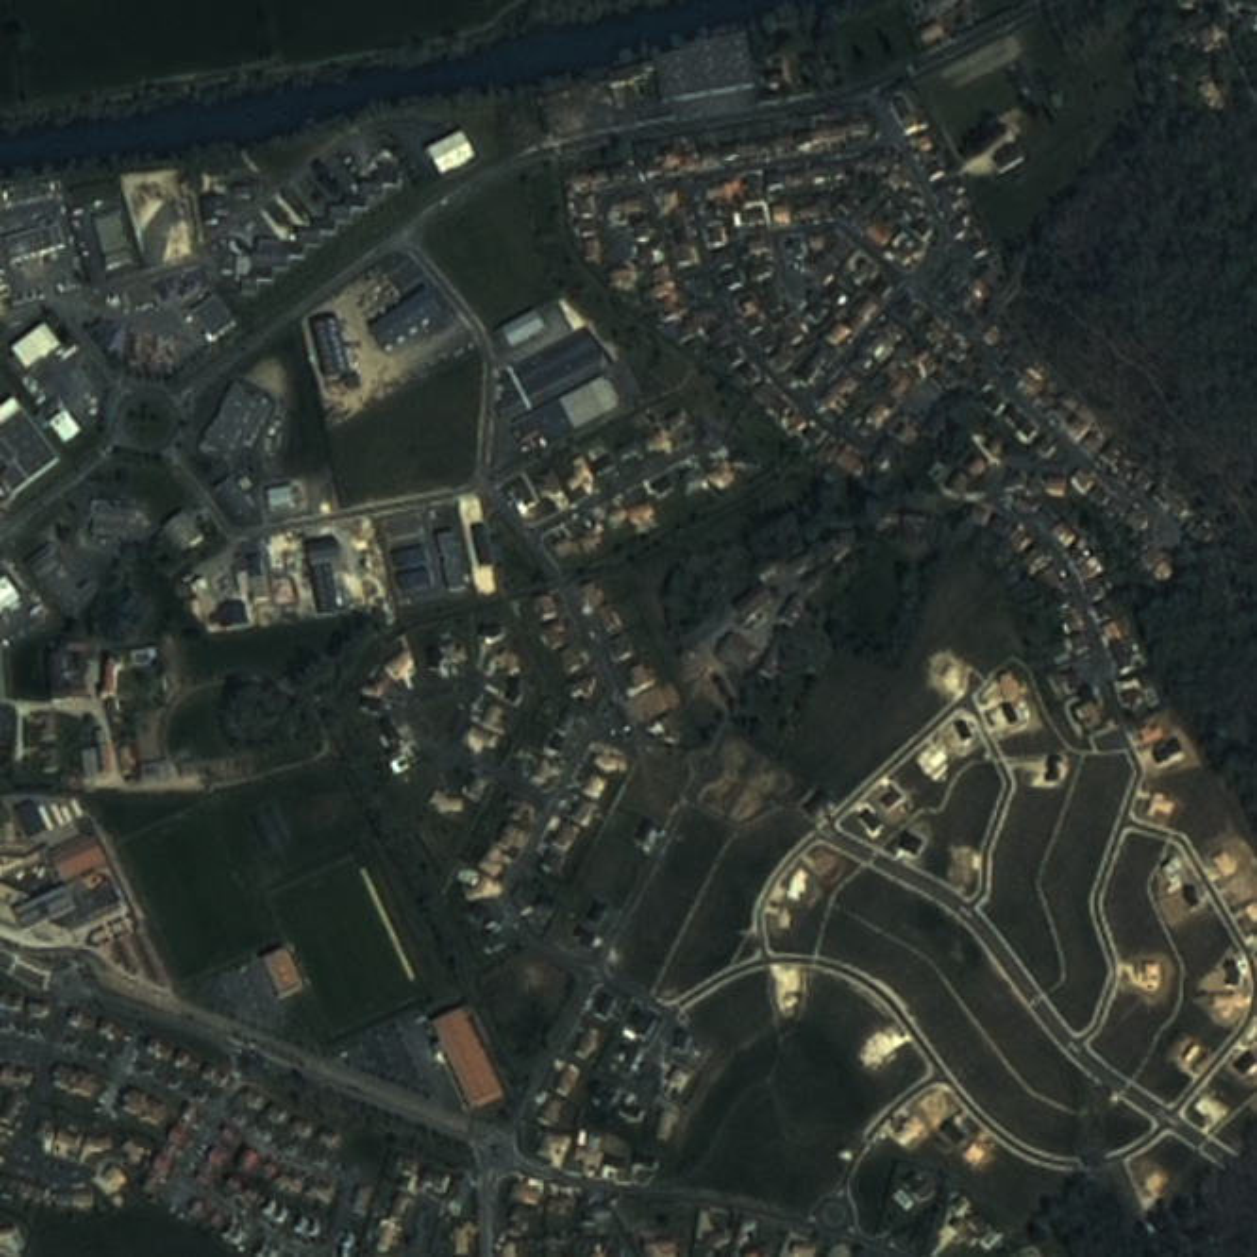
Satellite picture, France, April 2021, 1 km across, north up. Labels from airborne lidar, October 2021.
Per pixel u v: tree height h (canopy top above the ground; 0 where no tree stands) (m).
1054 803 0
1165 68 20
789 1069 0
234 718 17
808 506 10
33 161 0
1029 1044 0
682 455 0
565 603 0
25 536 0
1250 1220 14
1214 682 17
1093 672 0
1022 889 0
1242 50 9
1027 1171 0
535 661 0
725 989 0
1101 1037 0
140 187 0
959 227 0
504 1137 0
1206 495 12
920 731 0
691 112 0
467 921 0
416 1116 0
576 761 0
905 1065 0
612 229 0
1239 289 22
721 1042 0
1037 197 0
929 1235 14
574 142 0
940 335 0
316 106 0
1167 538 0
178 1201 0
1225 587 19
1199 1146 0
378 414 0
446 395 0
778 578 0
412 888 19
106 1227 0
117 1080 0
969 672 0
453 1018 0
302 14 0
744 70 0
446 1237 6
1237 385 26
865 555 7
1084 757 0
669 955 0
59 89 0
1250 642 16
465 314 0
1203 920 0
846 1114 0
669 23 0
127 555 13
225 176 0
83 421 0
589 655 0
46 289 0
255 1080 20
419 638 0
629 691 0
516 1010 0
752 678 11
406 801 0
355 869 0
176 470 0
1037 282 8
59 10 0
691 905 0
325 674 23
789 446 8
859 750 0
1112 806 0
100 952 0
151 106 11
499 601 0
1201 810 0
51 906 0
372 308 0
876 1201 0
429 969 0
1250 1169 13
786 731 9
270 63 13
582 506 0
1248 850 0
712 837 0
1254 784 13
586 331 0
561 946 0
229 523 0
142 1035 0
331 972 0
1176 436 17
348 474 0
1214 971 0
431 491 0
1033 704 0
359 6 0
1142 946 0
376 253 0
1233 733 17
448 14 0
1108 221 9
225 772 0
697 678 0
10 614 0
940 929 0
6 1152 0
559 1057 0
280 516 0
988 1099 0
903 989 0
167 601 0
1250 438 20
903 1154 0
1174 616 26
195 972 0
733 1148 0
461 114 16
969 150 6
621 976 0
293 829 0
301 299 0
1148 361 6
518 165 0
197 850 0
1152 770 0
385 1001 0
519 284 0
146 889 0
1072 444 0
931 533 17
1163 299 23
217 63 0
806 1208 0
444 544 0
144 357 0
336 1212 0
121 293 0
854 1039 0
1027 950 0
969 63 0
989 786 0
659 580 0
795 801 0
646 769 0
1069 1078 0
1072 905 0
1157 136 23
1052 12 10
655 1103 0
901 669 0
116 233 0
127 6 0
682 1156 0
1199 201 18
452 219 0
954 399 10
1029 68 0
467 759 0
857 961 0
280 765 0
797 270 0
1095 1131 0
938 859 0
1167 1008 0
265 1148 0
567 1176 0
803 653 9
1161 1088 0
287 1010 0
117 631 21
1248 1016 0
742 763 0
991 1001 0
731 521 0
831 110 7
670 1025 0
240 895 0
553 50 0
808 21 28
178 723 0
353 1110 13
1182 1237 15
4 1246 0
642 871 0
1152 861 0
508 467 0
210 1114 0
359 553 0
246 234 0
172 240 0
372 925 0
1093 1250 16
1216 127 22
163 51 0
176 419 0
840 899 0
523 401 0
